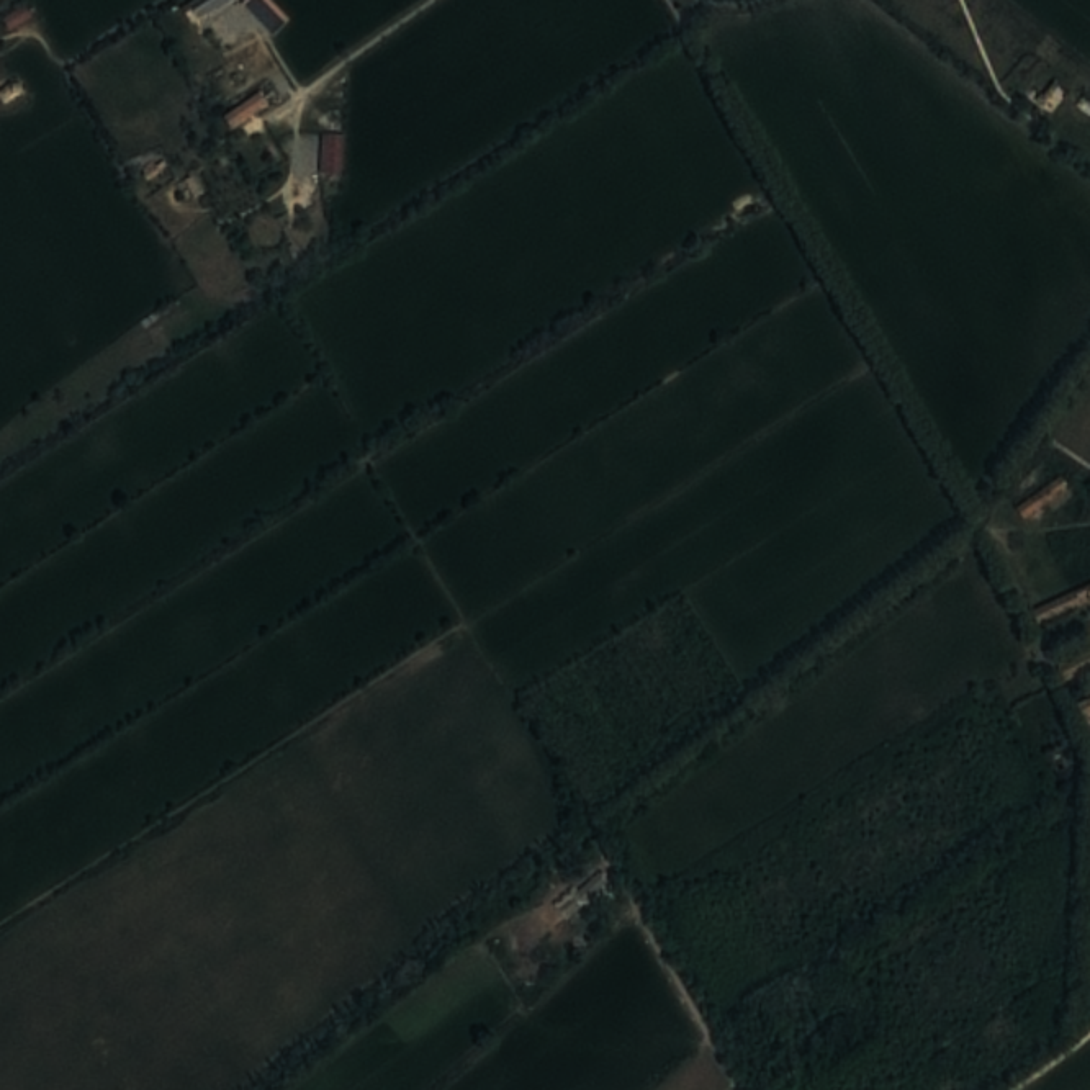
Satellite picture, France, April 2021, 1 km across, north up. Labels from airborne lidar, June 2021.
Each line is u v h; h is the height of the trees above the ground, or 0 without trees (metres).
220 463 0
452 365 0
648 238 0
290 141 0
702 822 0
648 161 0
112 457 0
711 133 0
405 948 0
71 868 0
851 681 0
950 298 0
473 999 0
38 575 0
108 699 0
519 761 0
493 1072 0
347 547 0
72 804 0
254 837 0
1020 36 0
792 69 0
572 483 0
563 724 17
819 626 0
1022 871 9
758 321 7
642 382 0
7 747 0
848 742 0
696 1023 0
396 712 0
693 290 0
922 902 16
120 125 0
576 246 0
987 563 27
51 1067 0
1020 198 0
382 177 0
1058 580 0
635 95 0
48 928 0
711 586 0
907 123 0
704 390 0
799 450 0
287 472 0
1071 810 12
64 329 0
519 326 0
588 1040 0
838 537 0
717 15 23
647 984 0
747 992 7
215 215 8
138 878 0
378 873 0
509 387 0
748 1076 10
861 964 11
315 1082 0
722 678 9
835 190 0
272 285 9
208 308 0
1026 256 0
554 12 0
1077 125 0
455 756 0
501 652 0
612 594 0
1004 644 0
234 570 0
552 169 0
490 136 0
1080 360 22
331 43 0
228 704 0
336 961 0
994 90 10
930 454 26
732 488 0
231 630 0
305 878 0
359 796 0
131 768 0
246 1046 0
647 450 0
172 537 0
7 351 0
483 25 0
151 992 0
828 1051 21
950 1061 9
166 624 0
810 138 0
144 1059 0
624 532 0
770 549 0
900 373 26
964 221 0
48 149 0
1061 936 9
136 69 0
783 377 0
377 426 0
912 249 0
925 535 0
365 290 0
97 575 0
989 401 0
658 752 8
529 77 0
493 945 6
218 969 0
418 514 0
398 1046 0
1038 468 5
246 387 0
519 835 0
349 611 0
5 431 0
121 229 0
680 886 9
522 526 0
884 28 0
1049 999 7
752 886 7
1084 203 0
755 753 0
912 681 0
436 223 0
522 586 0
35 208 0
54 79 0
